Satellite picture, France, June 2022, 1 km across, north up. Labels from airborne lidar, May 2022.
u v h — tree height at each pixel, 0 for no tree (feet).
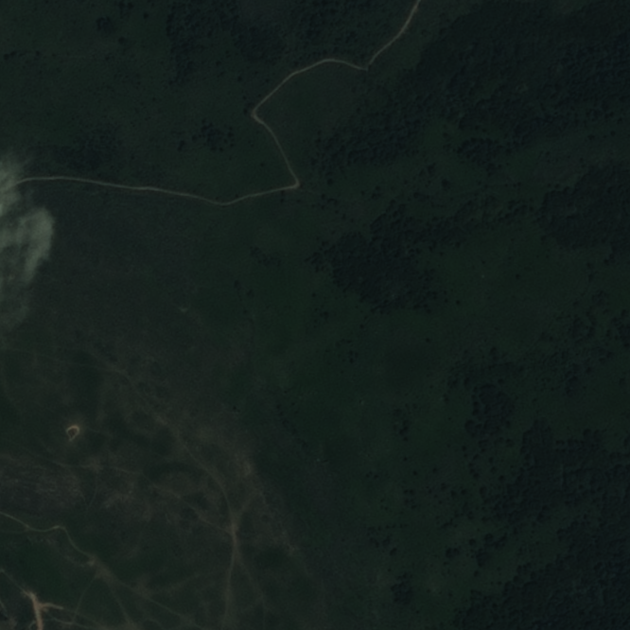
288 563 0
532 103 38
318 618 0
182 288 0
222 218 0
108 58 31
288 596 0
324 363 0
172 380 0
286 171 0
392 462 0
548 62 56
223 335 0
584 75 77
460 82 63
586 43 71
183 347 0
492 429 46
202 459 0
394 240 50
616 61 57
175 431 0
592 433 50
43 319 0
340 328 0
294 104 0
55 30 0
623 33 48
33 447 0
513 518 51
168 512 0
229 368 0
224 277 0
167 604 0
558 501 37
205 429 0
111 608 0
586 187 51
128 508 0
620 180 50
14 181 0
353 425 0
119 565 0
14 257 0
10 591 0
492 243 0
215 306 0
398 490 0
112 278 0
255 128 0
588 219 49
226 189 0
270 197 0
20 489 0
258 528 0
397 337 0
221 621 0
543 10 51
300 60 20
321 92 0
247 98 21
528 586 57
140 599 0
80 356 0
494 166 47
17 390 0
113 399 0
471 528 0
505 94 59
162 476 0
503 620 49
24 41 0
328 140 19
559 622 59
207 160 0
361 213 0
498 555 0
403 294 45
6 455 0
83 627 0
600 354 40
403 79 46
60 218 0
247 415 0
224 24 34
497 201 26
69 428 0
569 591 67
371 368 0
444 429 0
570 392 52
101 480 0
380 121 36
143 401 0
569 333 24
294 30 26
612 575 47
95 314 0
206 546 0
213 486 0
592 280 32
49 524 0
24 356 0
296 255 0
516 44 46
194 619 0
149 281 0
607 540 59
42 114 0
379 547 23
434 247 22
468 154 40
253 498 0
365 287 51
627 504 48
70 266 0
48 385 0
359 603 0
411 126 41
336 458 0
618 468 48
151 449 0
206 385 0
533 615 57
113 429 0
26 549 0
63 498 0
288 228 0
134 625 0
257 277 0
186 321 0
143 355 0
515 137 28
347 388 0
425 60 50
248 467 0
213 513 0
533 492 62
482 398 48
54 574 0
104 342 0
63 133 0
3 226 0
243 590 0
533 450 55
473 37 76
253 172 0
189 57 20
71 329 0
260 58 39
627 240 69
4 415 0
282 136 0
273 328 0
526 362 22
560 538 45
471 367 26
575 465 55
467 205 28
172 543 0
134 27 0
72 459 0
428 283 38
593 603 51
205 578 0
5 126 0
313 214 0
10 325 0
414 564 22
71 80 0
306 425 0
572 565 56
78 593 0
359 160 40
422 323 0
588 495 51
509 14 54
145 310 0
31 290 0
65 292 0
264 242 0
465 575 0
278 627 0
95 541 0
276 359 0
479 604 22
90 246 0
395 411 22
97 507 0
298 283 0
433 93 82
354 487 0
